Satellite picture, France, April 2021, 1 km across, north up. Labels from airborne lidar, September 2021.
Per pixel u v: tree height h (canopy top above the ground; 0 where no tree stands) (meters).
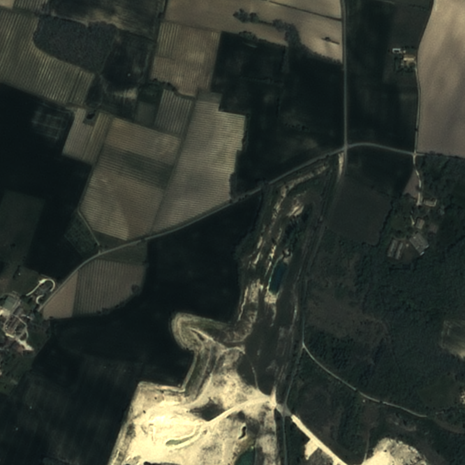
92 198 0
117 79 0
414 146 0
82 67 16
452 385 0
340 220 0
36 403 0
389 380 8
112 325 0
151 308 0
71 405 0
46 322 10
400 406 7
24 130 0
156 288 0
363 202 0
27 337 0
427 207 0
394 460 0
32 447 0
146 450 0
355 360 8
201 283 0
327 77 0
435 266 15
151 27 0
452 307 18
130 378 0
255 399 0
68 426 0
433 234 13
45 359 0
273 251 0
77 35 19
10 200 0
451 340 0
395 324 15
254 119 0
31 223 0
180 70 0
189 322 0
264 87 0
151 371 0
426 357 20
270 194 15
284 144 0
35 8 0
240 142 0
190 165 0
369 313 17
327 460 0
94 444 0
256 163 0
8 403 0
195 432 0
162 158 0
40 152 0
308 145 0
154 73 0
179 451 0
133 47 0
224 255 0
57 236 0
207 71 0
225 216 0
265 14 0
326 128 0
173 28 0
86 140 0
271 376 0
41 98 0
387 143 0
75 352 0
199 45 0
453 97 0
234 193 12
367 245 9
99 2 0
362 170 0
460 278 16
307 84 0
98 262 0
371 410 0
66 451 0
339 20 0
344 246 6
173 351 0
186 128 0
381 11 0
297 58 0
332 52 0
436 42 0
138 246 7
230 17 0
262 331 0
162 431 0
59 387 0
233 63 0
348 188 0
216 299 0
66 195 0
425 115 0
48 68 0
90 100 0
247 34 12
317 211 0
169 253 0
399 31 0
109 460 0
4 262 0
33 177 0
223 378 0
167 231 0
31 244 0
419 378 14
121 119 0
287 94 0
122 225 0
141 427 0
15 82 0
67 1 0
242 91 0
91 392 0
